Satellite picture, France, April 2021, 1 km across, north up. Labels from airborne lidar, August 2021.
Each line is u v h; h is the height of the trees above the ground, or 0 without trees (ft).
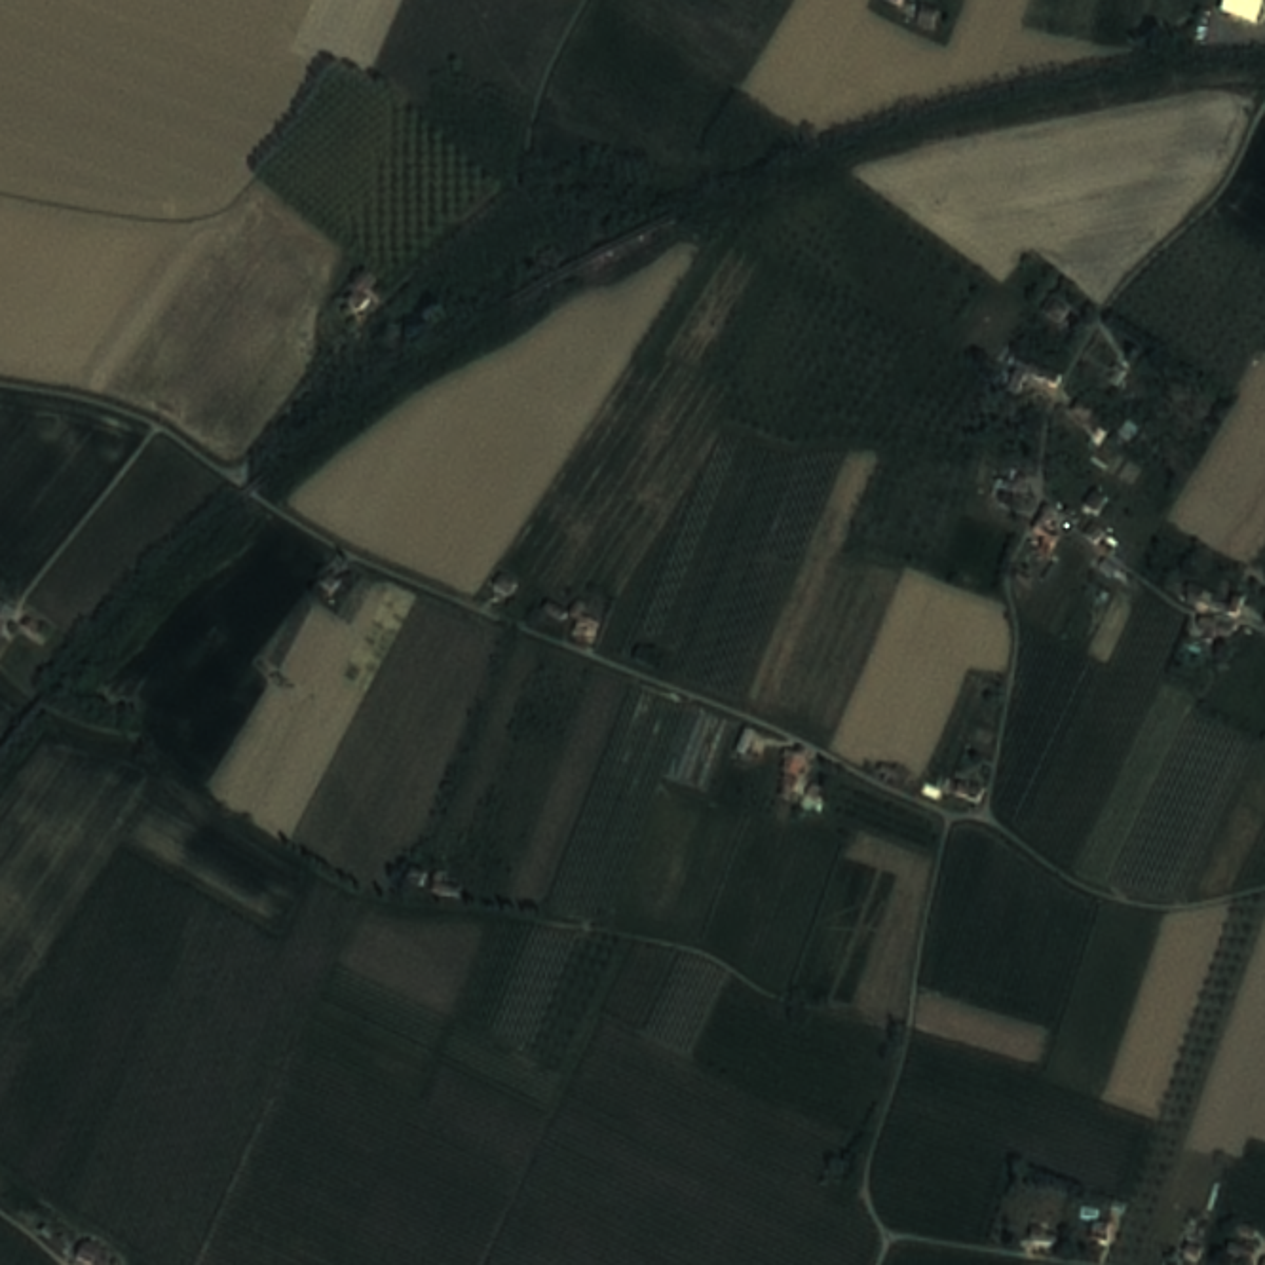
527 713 19
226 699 0
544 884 0
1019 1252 48
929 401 34
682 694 0
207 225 0
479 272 43
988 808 0
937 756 0
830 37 0
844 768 22
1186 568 30
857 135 29
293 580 0
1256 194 0
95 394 0
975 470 46
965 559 0
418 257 39
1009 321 0
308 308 0
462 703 0
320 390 52
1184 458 36
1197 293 21
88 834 0
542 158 32
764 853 0
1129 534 0
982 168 0
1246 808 0
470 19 0
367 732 0
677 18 0
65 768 0
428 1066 0
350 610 0
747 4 0
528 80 0
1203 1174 0
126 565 0
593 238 38
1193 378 29
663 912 0
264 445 33
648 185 33
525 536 0
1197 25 28
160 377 0
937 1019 0
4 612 0
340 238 64
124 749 0
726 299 0
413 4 0
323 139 71
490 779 0
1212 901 0
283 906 0
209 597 0
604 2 0
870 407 28
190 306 0
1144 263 0
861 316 27
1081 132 0
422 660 0
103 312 0
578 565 0
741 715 0
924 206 0
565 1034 31
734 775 0
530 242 47
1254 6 0
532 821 0
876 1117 30
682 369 0
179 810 0
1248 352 25
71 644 34
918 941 0
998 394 35
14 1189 0
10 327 0
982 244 0
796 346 30
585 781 0
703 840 0
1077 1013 0
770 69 0
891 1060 42
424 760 0
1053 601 0
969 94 43
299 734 0
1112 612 0
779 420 28
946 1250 0
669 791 0
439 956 0
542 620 38
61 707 48
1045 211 0
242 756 0
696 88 0
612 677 0
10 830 0
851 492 0
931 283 18
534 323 31
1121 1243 36
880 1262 0
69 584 0
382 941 0
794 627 0
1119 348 0
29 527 0
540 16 0
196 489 0
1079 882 0
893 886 0
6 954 0
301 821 0
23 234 0
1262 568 41
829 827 0
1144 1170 26
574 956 23
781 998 23
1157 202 0
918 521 36
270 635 0
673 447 0
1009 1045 0
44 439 0
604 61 0
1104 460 0
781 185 33
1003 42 0
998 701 23
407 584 0
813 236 27
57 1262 0
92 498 0
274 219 0
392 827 0
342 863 0
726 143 43
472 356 31
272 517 0
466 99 24
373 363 49
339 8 0
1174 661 17
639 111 0
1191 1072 29
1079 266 0
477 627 0
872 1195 0
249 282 0
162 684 0
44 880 0
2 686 0
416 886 45
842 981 0
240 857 0
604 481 0
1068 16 0
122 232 0
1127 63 33
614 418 0
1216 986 26
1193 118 0
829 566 0
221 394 0
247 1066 0
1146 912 0
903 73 0
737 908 0
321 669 0
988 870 0
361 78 66
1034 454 49
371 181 62
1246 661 0
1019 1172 50
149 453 0
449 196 48
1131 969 0
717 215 42
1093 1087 0
